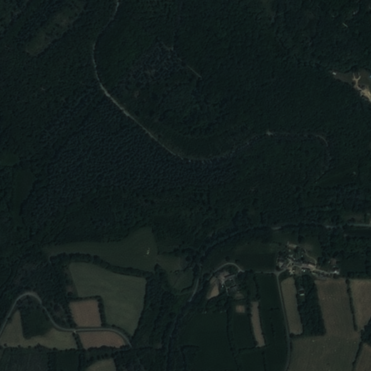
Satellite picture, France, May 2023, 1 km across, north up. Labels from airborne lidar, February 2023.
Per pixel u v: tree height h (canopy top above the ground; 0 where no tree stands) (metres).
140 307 0
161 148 29
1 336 0
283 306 0
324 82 19
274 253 0
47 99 20
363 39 15
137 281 0
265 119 14
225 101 29
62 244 8
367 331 16
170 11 21
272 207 7
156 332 7
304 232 22
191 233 9
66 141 31
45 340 0
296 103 16
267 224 12
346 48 16
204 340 0
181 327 17
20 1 14
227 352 0
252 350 7
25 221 21
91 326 0
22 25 12
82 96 18
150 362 17
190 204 8
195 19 23
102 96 12
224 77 18
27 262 10
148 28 21
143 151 28
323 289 0
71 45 18
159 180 21
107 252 0
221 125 22
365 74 0
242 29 20
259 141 18
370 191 16
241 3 9
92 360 15
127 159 28
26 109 19
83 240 6
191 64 17
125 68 17
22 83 23
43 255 8
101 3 20
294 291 0
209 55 14
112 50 21
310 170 20
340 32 9
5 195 24
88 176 20
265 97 15
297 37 8
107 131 19
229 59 10
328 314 0
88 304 0
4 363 0
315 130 17
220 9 15
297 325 0
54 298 12
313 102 15
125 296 0
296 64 11
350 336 0
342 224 17
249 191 8
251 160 12
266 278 0
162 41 15
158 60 21
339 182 0
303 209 21
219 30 19
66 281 8
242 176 17
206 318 0
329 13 11
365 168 7
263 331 7
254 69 14
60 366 0
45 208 33
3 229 19
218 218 9
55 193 24
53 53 19
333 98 22
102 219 11
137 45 22
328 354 0
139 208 10
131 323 0
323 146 22
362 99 8
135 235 0
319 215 18
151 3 15
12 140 25
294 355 0
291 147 17
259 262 0
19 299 0
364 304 0
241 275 17
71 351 7
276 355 0
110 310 0
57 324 12
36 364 0
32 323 0
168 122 25
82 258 17
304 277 10
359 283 0
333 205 14
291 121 15
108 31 22
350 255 11
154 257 0
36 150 22
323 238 19
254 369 0
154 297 25
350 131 17
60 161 33
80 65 23
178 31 21
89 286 0
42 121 18
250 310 12
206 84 18
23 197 0
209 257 13
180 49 20
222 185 13
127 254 0
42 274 8
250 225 29
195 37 22
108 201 7
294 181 6
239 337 0
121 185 34
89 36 14
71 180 32
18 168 22
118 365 16
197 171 29
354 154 17
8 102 22
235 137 21
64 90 21
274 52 7
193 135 20
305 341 0
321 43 18
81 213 9
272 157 18
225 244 19
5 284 6
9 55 21
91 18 25
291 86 14
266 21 10
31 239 22
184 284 0
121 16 20
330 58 12
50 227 8
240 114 23
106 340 0
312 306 10
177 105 16
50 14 24
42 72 17
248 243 16
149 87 22
